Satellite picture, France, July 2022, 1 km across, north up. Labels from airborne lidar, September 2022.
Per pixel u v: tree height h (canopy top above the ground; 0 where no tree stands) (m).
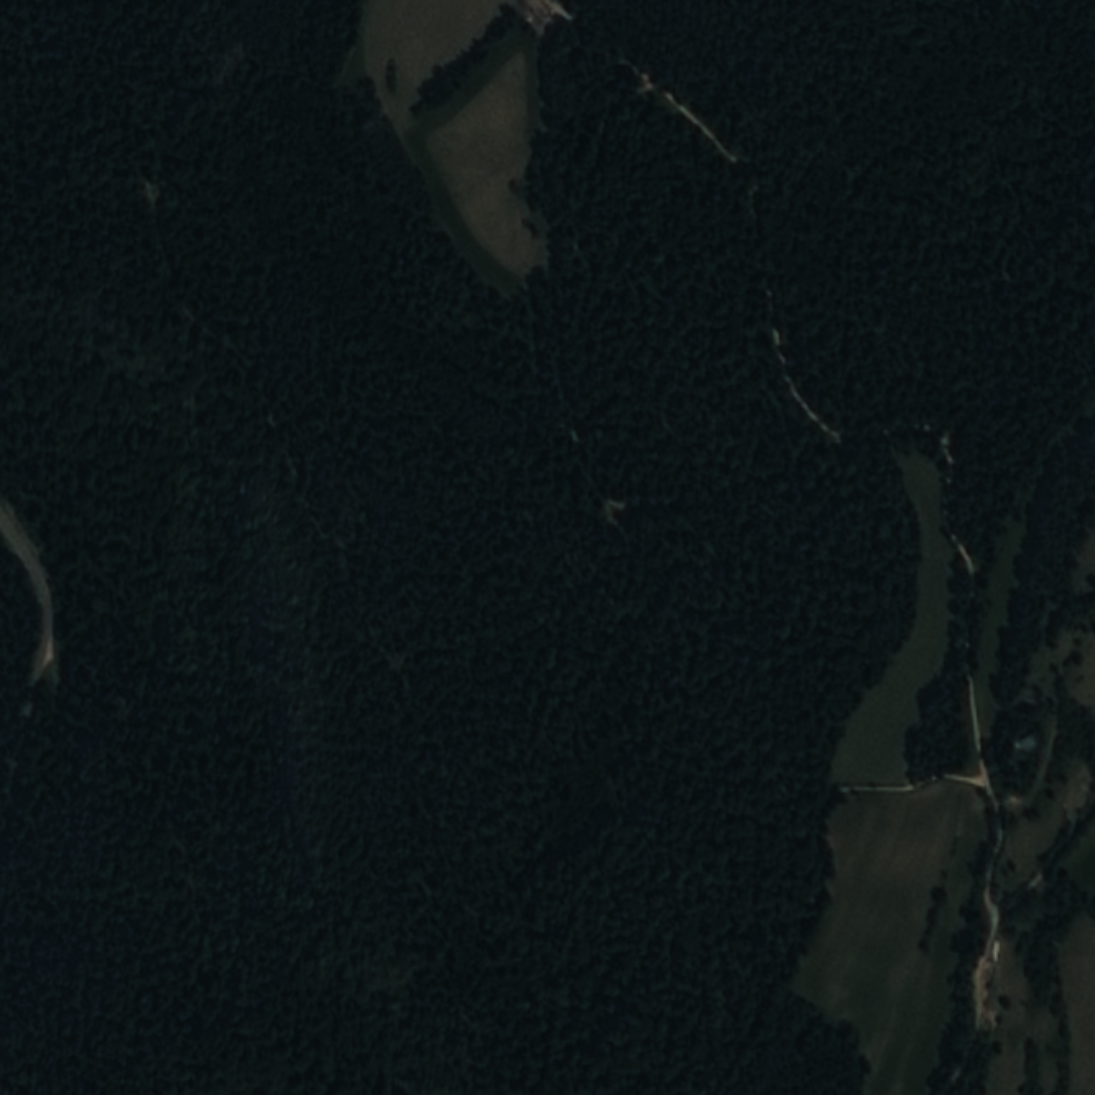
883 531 23
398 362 13
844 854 0
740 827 23
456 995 7
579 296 16
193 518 16
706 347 12
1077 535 18
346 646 12
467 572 21
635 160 12
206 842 14
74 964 32
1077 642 7
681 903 19
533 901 25
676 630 34
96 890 24
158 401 22
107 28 22
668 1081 30
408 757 19
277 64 16
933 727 20
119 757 12
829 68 9
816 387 15
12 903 33
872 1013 0
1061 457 25
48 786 9
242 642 19
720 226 9
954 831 0
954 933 0
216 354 18
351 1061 28
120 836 15
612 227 18
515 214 0
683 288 17
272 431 21
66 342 16
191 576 10
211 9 27
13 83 13
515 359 20
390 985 21
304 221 13
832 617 24
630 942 24
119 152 13
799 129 11
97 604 8
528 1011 11
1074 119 19
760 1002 19
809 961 0
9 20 22
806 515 13
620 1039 19
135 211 14
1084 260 10
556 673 21
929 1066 0
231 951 21
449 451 22
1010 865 12
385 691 15
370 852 18
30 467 23
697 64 30
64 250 23
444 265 20
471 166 0
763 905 27
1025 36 25
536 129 0
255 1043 8
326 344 20
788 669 22
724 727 17
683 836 23
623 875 21
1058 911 15
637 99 24
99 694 23
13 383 24
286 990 23
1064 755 15
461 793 24
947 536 18
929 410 21
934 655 0
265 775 24
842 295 14
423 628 21
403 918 16
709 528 30
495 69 0
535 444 22
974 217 28
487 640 11
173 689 21
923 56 24
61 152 7
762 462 17
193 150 7
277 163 16
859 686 22
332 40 24
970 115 16
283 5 24
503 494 14
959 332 23
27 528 10
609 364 15
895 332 22
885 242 13
